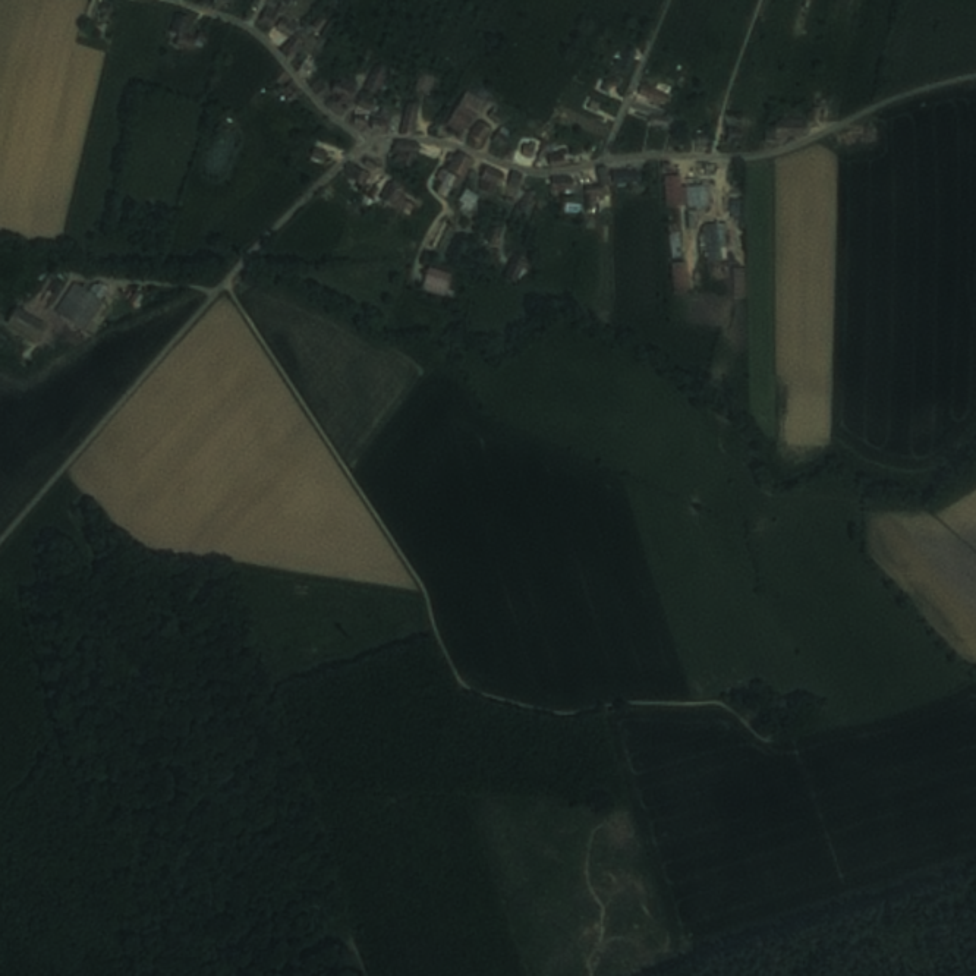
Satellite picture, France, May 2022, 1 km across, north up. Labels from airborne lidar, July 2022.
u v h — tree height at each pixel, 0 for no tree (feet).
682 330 0
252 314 0
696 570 0
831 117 0
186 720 84
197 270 73
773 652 0
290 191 0
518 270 0
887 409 0
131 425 0
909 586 0
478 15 21
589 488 0
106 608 95
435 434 0
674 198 0
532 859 0
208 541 0
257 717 107
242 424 0
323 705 51
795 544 0
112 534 81
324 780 54
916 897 71
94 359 0
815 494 0
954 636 0
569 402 0
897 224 0
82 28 48
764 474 58
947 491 58
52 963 46
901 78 0
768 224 0
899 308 0
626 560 0
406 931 26
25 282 0
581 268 0
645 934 0
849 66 0
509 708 39
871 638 0
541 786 49
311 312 0
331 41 20
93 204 0
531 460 0
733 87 0
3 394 0
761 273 0
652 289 0
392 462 0
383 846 26
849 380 0
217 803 87
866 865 0
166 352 0
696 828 0
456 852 25
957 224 0
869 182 0
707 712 0
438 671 49
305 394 0
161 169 0
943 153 0
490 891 19
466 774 47
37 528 0
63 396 0
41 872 33
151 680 90
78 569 86
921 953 55
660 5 0
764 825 0
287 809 66
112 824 83
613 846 0
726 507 0
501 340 57
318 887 73
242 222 0
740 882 0
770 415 0
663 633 0
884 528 0
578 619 0
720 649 0
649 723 0
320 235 0
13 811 38
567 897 0
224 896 95
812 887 0
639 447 0
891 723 0
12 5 0
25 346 0
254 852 88
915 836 0
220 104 24
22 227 0
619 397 0
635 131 0
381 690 54
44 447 0
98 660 94
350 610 0
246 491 0
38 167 0
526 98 0
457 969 23
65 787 40
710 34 0
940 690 0
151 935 62
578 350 0
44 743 18
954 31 0
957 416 0
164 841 87
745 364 0
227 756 85
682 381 59
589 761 49
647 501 0
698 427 0
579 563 0
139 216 66
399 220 0
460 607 0
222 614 91
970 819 0
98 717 107
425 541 0
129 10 0
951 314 0
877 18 0
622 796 37
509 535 0
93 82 0
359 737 50
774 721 69
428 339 41
